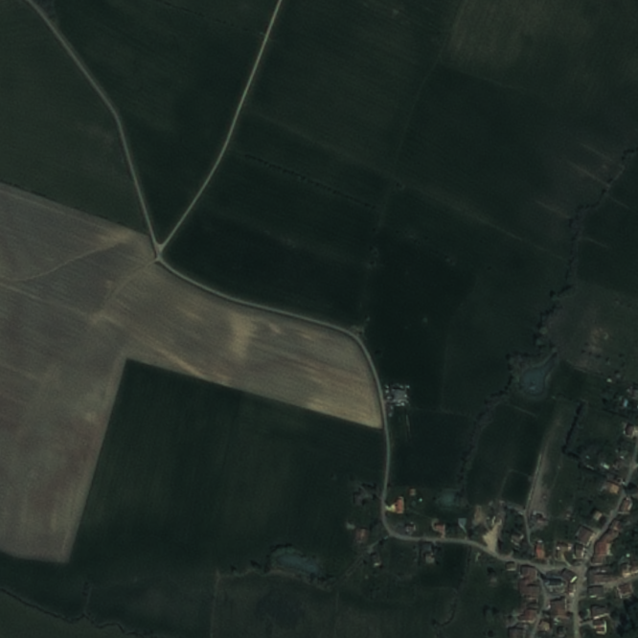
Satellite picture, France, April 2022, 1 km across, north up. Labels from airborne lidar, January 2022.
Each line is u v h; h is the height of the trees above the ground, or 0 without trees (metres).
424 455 0
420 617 0
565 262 0
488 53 0
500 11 0
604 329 0
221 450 0
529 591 0
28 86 0
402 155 0
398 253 0
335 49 0
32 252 0
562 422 0
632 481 0
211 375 0
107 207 0
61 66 0
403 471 0
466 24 0
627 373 0
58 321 0
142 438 0
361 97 0
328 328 0
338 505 0
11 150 0
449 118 0
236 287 0
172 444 0
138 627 0
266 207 0
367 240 0
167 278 0
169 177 0
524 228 0
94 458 0
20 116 0
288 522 0
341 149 0
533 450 0
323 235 0
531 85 0
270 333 0
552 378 0
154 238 0
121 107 0
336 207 0
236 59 0
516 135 0
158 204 0
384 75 0
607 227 0
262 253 0
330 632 0
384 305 0
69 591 0
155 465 0
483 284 0
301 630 0
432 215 0
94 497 0
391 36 0
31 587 0
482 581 0
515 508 0
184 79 0
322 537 0
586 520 7
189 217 0
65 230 0
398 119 0
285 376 0
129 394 0
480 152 0
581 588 0
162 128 0
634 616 30
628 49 0
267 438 0
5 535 0
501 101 0
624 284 0
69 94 0
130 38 0
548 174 0
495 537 0
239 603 0
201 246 0
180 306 0
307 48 0
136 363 0
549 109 0
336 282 0
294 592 0
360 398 0
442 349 0
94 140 0
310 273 0
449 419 0
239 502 0
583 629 0
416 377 0
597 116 0
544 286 0
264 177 0
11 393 0
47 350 0
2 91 0
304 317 0
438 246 0
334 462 0
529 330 0
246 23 0
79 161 0
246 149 0
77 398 0
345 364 0
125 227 0
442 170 0
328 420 0
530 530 0
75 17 0
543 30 0
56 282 0
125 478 0
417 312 0
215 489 0
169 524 0
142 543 0
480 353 0
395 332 0
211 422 0
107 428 0
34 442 0
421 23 0
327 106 0
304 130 0
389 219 0
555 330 0
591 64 0
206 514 0
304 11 0
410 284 0
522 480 0
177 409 0
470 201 0
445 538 0
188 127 0
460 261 0
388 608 0
